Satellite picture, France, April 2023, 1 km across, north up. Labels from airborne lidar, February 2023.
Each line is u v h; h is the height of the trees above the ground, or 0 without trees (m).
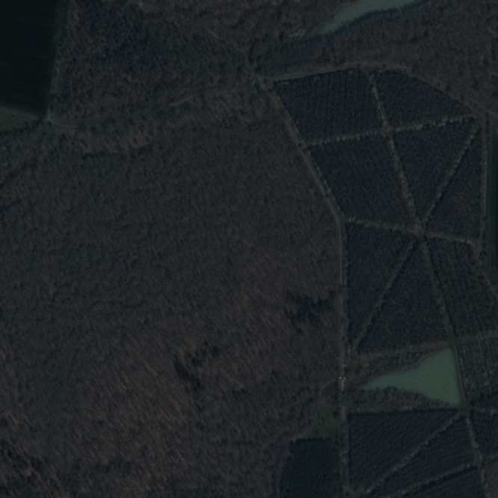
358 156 16
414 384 0
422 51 17
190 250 15
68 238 15
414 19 22
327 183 15
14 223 18
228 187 21
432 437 8
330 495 15
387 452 17
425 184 15
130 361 26
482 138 15
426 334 16
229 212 22
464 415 0
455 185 14
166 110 0
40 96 0
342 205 16
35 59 0
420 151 15
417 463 17
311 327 19
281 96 16
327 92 15
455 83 18
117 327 18
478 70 16
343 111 15
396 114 16
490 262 19
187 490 22
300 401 19
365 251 17
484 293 14
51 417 27
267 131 25
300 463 19
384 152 15
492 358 6
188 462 23
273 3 19
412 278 17
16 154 21
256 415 21
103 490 25
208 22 20
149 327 18
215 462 19
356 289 15
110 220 19
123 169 22
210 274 16
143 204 18
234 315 23
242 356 22
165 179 20
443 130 17
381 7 0
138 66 24
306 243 17
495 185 0
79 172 22
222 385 21
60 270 17
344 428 17
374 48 22
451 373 0
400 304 17
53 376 21
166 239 16
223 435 22
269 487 20
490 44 8
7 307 21
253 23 23
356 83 15
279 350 24
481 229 11
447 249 14
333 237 20
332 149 16
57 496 24
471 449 16
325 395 0
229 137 23
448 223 15
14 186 20
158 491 21
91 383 17
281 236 19
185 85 22
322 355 23
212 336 22
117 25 24
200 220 19
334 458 15
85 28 21
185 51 17
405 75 12
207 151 21
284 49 14
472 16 22
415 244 8
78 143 21
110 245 14
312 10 22
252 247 20
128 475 26
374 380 0
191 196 20
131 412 25
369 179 14
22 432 15
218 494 19
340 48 20
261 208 21
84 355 19
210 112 21
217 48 22
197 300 20
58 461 21
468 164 14
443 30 19
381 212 16
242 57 19
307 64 15
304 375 18
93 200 19
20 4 0
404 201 15
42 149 22
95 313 14
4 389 25
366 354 15
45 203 19
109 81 8
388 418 15
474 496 17
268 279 20
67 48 15
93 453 23
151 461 20
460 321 14
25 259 18
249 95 0
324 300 20
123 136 21
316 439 0
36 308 19
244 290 23
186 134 22
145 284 14
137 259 20
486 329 13
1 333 20
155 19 21
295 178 20
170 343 22
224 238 17
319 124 17
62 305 17
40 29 0
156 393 27
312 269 16
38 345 19
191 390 21
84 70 9
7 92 0
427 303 15
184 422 23
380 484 8
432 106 15
